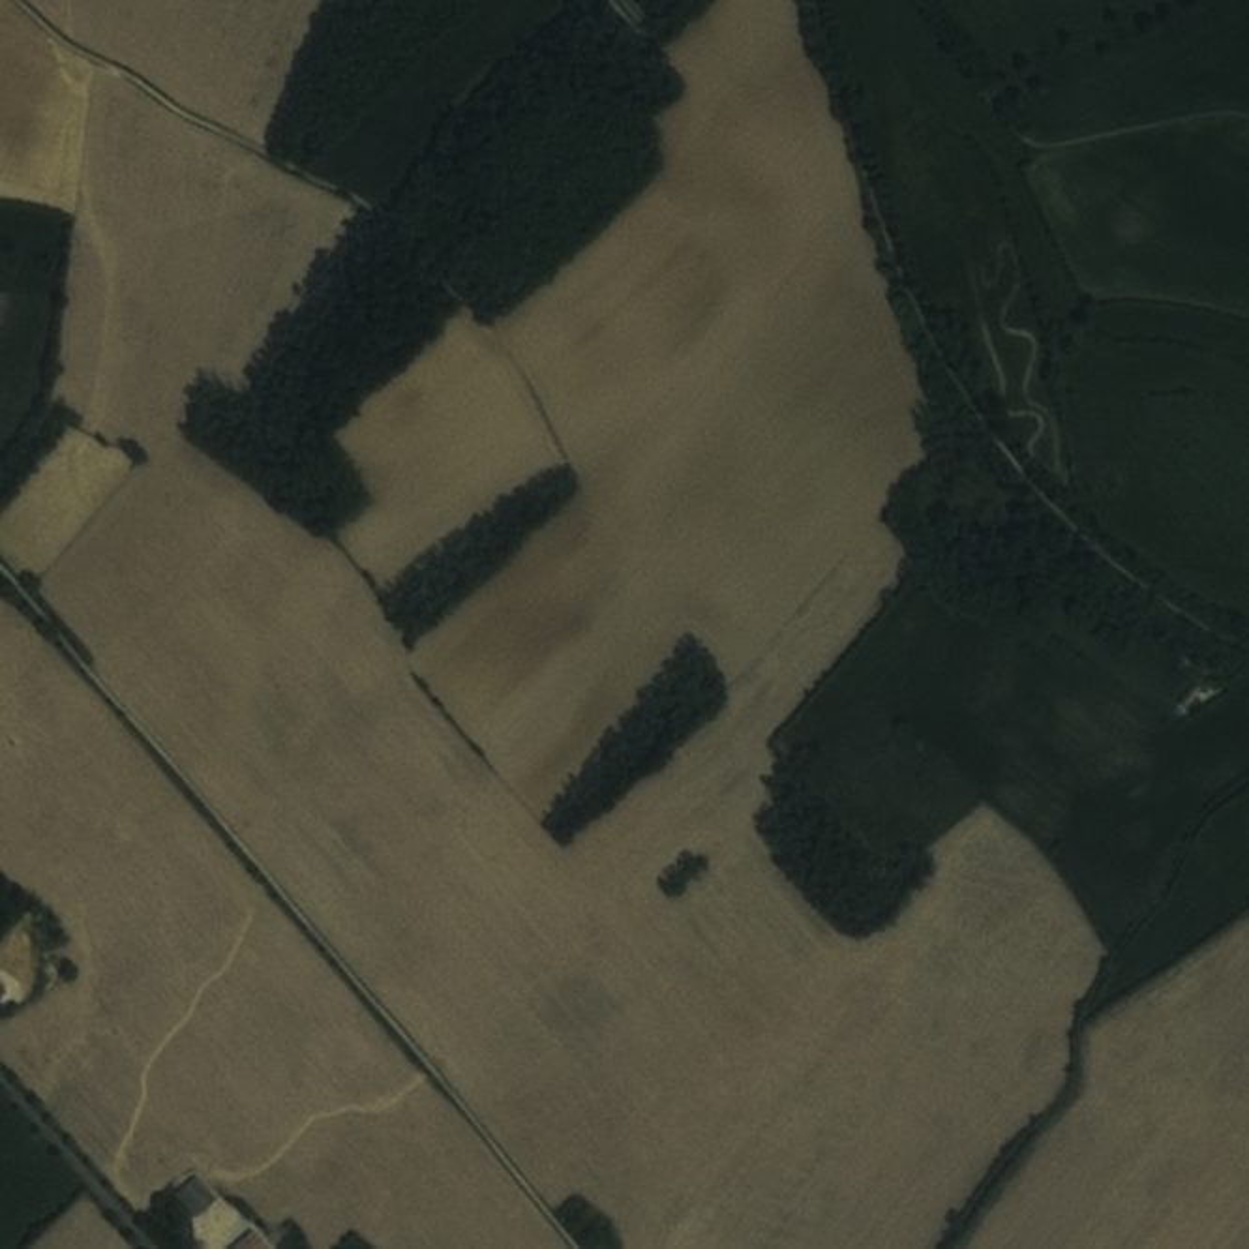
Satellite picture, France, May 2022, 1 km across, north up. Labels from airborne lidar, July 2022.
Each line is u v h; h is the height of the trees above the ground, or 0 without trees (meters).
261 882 10
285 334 18
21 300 0
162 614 0
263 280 0
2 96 0
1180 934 0
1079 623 14
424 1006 0
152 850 0
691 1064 0
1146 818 0
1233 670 21
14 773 0
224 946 0
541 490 20
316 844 0
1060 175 0
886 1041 0
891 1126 0
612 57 21
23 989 0
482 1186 0
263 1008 0
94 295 0
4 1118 0
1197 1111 0
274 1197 0
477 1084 0
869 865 24
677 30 18
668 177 0
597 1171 0
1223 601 0
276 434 26
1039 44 0
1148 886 0
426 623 20
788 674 0
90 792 0
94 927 0
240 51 0
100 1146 0
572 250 19
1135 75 0
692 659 22
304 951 0
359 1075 0
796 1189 0
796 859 11
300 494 22
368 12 24
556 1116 0
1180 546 0
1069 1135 0
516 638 0
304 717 0
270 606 0
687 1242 0
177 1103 0
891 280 9
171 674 0
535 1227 0
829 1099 0
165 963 0
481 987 0
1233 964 0
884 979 0
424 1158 0
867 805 0
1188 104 0
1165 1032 0
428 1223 0
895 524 14
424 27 21
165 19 0
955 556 26
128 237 0
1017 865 0
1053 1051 0
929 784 0
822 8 13
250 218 0
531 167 20
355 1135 0
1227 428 0
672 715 21
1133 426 0
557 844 14
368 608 0
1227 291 0
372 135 0
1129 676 0
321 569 0
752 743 0
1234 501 0
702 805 0
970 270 0
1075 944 0
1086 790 0
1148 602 19
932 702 0
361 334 25
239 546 0
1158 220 0
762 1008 0
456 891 0
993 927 0
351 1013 0
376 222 18
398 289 27
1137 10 0
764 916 0
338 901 0
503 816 0
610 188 21
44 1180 0
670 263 0
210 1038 0
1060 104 0
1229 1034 0
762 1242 0
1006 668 0
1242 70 0
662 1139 0
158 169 0
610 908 0
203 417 18
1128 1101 0
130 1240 14
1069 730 0
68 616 0
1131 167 0
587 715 0
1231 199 0
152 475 0
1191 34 0
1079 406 0
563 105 24
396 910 0
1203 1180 0
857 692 0
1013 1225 0
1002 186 8
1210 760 0
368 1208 0
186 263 0
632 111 19
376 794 0
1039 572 21
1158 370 0
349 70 25
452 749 0
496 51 0
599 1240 8
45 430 11
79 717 0
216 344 0
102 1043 0
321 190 0
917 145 0
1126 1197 0
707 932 0
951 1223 13
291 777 0
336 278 24
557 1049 0
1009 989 0
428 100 0
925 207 0
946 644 0
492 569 15
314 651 0
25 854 0
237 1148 0
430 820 0
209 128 0
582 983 0
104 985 0
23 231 0
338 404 23
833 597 0
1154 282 0
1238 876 0
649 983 0
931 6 22
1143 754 0
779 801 8
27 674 0
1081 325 19
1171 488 0
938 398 20
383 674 0
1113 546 23
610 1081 0
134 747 0
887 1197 0
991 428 18
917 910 0
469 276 20
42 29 0
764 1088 0
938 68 0
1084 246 0
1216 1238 0
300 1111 0
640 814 0
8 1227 0
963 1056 0
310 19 0
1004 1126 0
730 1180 0
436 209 21
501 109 25
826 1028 0
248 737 0
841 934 12
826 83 8
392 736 0
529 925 0
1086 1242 0
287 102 18
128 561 0
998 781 0
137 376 0
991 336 0
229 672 0
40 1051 0
